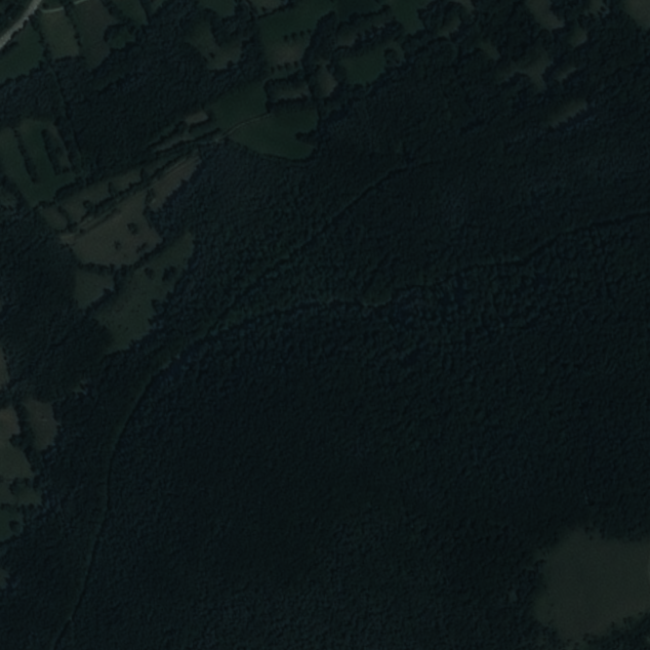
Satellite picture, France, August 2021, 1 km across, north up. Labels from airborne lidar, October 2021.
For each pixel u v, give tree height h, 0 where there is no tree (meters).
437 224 20
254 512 21
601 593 0
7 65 0
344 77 13
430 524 17
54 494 23
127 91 22
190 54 17
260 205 14
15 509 8
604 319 19
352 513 15
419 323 26
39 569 20
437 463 18
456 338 26
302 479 19
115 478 9
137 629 13
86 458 22
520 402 21
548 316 30
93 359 23
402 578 13
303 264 13
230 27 17
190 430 19
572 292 24
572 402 27
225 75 13
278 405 22
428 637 10
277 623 13
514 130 21
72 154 12
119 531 15
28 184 0
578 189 19
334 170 19
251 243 8
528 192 11
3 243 16
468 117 11
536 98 15
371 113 28
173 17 14
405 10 0
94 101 20
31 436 12
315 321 18
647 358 23
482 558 17
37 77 16
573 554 0
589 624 0
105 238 0
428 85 19
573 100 18
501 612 11
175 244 11
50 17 0
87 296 0
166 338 16
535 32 23
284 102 13
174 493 14
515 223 24
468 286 24
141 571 15
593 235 24
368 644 8
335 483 19
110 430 20
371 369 20
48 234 11
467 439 18
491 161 17
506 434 15
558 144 19
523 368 26
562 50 18
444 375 24
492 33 9
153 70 17
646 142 22
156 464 17
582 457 22
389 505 20
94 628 11
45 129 7
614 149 19
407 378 15
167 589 17
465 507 20
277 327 15
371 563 12
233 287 13
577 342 25
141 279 0
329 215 16
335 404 24
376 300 6
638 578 0
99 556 12
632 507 17
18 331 18
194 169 0
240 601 12
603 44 18
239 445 21
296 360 25
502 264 17
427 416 24
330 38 16
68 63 15
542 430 21
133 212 0
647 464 19
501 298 24
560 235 20
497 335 21
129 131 24
